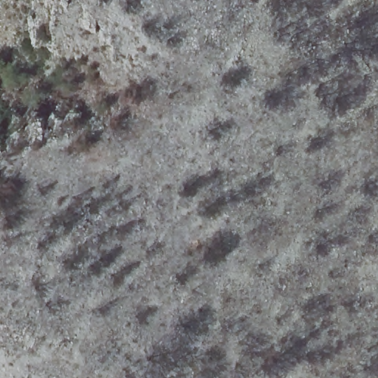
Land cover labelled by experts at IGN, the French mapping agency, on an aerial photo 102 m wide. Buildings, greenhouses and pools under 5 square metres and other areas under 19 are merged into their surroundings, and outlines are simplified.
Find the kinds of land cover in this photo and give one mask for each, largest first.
<instances>
[{"label":"bare soil","instance_id":"1","mask_svg":"<svg viewBox=\"0 0 378 378\"><path fill-rule=\"evenodd\" d=\"M24 38H30L34 49L46 47L50 52V58L46 61L49 68L44 71V75L52 74L56 65L61 63V58L80 59L81 56H87L89 61L99 63V74L103 80L102 84L96 86L84 81L78 90V96L86 103L78 106L77 112H68L61 120L52 114L56 103L49 99L35 106H27L25 115H12L7 127L10 136L6 139V148L0 149V378H378V0H0V44L16 47Z\"/></svg>","mask_w":378,"mask_h":378},{"label":"brushwood","instance_id":"2","mask_svg":"<svg viewBox=\"0 0 378 378\"><path fill-rule=\"evenodd\" d=\"M50 58V52L46 47L34 49L30 38H24L16 47L0 44V149L6 148V139L10 136L7 127L12 115H25L27 106H35L49 99L56 103L52 114L61 120L68 112H77L78 106L86 103L78 96V90L84 81L96 86L102 84L103 80L99 74V63L89 61L87 56H81L80 59L61 58V63L56 65L52 74L44 75V71L49 68L46 61Z\"/></svg>","mask_w":378,"mask_h":378}]
</instances>
